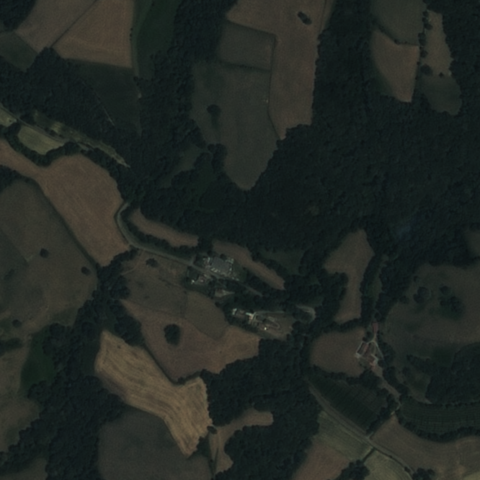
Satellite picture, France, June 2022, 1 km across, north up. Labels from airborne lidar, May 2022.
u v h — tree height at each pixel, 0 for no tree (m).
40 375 0
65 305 0
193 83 13
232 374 22
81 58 0
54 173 0
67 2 0
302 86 0
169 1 0
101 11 0
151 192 21
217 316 0
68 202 0
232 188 19
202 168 13
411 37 0
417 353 0
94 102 11
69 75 18
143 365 0
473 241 0
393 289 16
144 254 0
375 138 25
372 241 20
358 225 18
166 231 0
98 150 18
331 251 15
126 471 0
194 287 0
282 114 0
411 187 20
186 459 0
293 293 19
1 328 0
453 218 23
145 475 0
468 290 0
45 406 12
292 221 18
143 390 0
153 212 22
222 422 17
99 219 0
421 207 19
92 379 21
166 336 7
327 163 17
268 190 13
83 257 0
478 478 0
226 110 0
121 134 13
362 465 13
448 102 0
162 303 0
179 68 18
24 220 0
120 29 0
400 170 29
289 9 0
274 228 20
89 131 18
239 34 0
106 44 0
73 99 14
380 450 0
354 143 24
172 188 6
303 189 25
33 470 0
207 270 0
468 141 24
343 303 0
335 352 0
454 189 27
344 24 21
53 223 0
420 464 0
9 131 18
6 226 0
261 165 0
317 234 18
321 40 13
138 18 0
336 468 0
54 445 27
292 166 16
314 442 0
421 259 20
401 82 0
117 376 0
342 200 20
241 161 0
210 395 15
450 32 18
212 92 0
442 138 17
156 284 0
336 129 28
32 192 0
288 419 19
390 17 0
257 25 0
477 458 0
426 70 20
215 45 20
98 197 0
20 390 0
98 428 14
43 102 18
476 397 10
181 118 20
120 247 0
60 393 13
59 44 0
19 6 17
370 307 19
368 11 17
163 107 16
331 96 26
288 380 14
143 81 10
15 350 0
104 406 25
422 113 19
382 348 11
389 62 0
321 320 19
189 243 0
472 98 22
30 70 13
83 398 21
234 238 24
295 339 15
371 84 23
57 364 18
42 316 0
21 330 0
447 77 0
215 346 0
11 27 12
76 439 26
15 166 0
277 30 0
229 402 26
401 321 0
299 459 28
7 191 0
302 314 17
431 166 26
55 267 0
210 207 8
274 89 0
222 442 0
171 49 14
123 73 0
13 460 18
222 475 17
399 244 15
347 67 19
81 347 16
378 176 31
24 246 0
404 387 10
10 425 0
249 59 0
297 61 0
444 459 0
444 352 0
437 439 12
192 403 0
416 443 0
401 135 18
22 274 0
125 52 0
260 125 0
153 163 19
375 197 21
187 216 19
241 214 21
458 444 0
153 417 0
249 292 10
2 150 0
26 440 24
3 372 0
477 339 0
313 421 23
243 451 10
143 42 0
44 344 7
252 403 21
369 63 23
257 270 0
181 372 0
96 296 16
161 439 0
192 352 0
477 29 26
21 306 0
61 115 21
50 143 0
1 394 0
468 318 0
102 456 0
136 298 0
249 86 0
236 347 0
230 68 0
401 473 0
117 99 0
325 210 18
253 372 18
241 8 0
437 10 20
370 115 25
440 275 0
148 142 8
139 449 0
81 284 0
